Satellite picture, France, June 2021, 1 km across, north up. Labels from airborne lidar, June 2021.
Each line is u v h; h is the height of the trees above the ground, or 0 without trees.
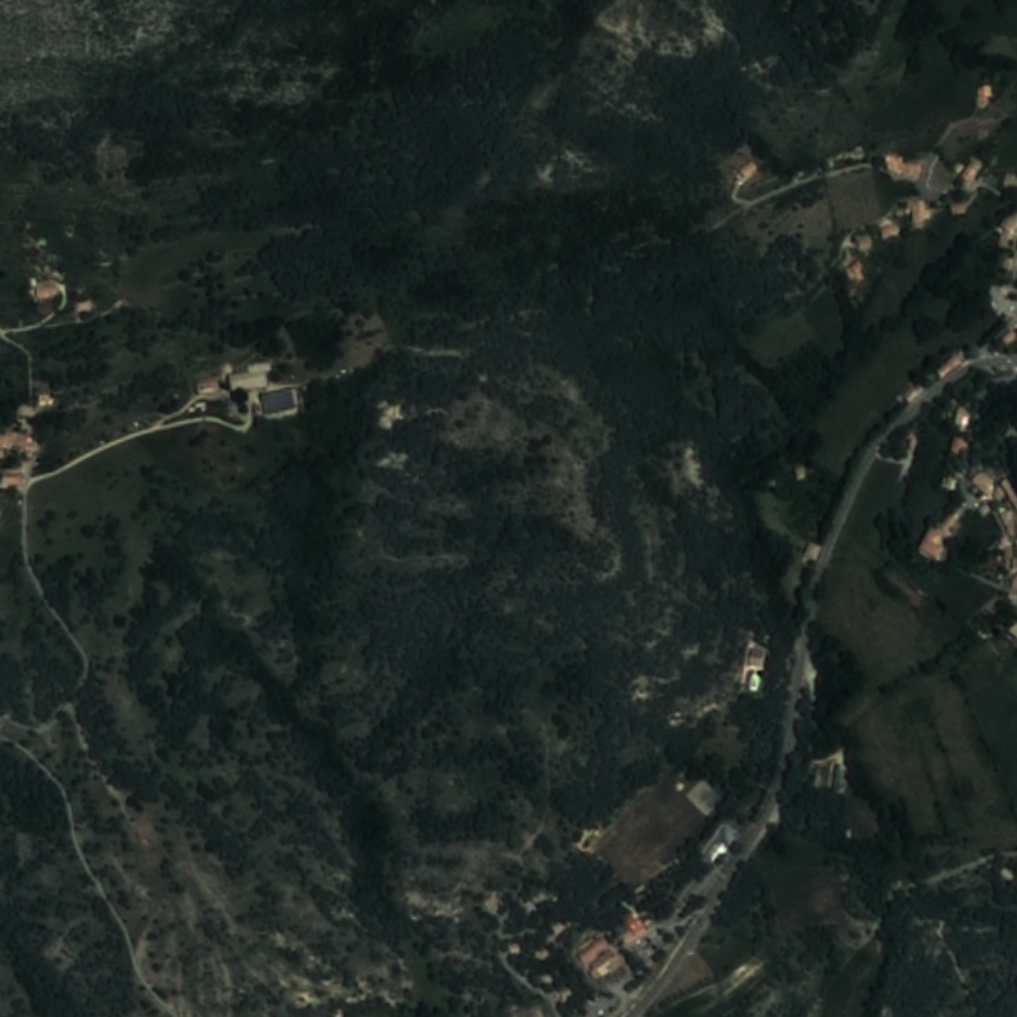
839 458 0
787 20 15
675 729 8
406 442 9
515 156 9
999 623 9
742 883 15
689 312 17
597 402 9
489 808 6
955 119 0
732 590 7
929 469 0
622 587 7
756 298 12
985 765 0
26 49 0
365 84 16
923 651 0
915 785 0
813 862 0
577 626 8
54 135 7
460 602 9
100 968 7
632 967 8
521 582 7
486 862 0
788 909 0
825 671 17
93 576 7
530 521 10
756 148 12
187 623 6
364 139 9
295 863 10
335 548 12
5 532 0
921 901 11
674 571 8
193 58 6
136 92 7
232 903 0
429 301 7
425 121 9
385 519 8
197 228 9
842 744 11
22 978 12
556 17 9
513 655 10
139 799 8
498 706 8
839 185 0
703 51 8
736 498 15
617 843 0
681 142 12
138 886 0
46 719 6
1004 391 14
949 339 0
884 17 7
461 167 11
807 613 13
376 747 12
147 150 8
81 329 9
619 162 7
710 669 6
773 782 13
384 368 9
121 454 0
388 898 6
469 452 8
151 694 9
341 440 10
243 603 6
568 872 6
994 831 0
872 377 0
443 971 8
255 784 9
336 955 6
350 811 14
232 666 10
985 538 0
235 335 13
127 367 0
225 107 8
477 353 5
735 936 0
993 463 8
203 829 7
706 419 15
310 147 8
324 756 15
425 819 7
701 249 15
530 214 10
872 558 0
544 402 8
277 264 14
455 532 11
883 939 13
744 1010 9
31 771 10
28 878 8
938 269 17
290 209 12
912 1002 9
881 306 0
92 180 9
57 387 11
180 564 8
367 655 10
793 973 7
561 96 7
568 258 12
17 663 9
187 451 0
